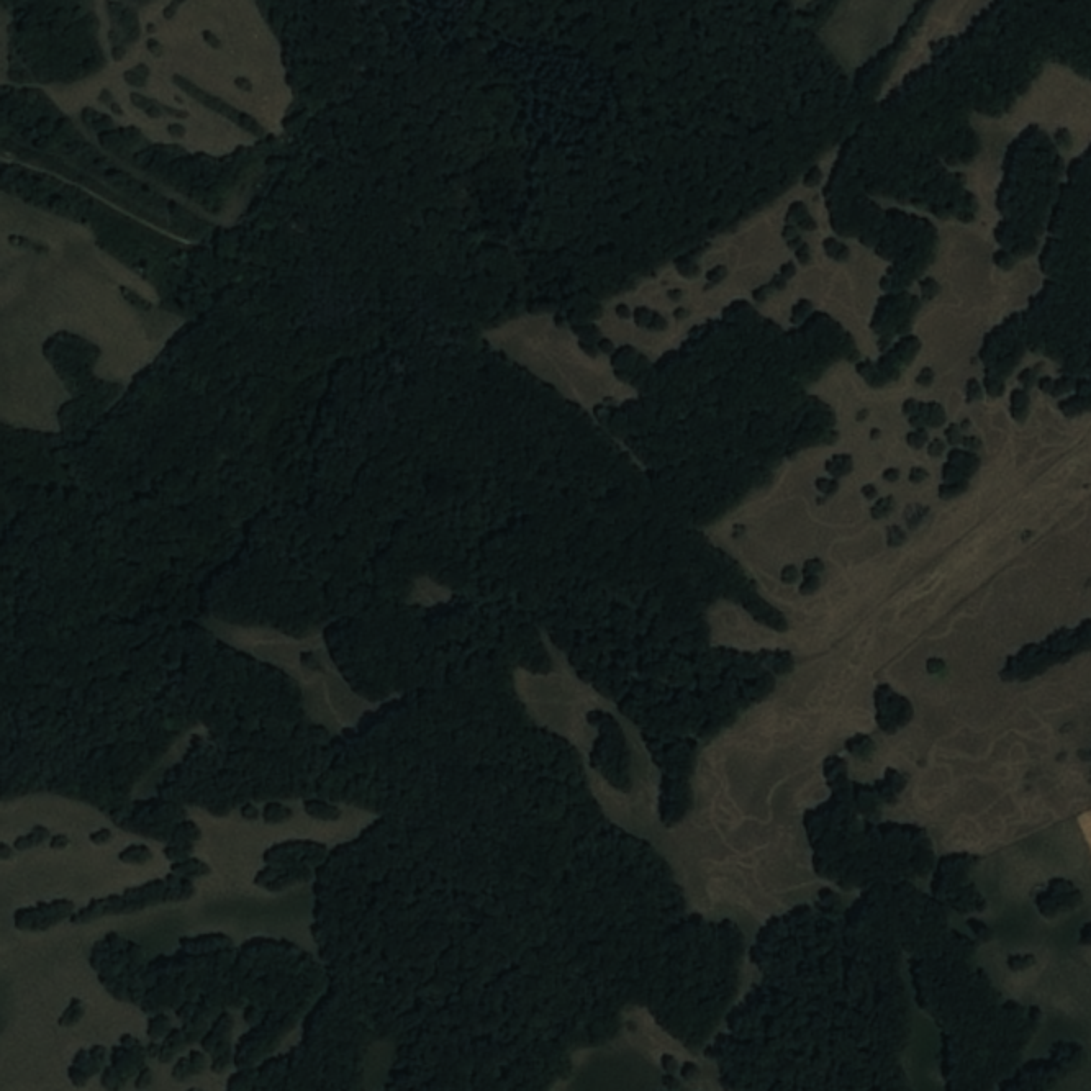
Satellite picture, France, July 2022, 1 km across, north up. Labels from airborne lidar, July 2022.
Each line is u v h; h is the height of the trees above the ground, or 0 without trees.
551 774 17
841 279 0
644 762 0
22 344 0
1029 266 0
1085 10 20
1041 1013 18
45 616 17
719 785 0
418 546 28
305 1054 14
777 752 0
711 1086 0
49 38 6
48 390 0
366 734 22
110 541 20
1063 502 0
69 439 9
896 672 0
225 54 0
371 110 21
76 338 9
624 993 20
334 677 0
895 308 23
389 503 21
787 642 0
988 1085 25
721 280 10
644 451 20
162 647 28
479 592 13
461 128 20
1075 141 18
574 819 26
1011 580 0
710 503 26
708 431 21
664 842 0
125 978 14
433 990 22
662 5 23
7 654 23
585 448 24
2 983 0
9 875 0
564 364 0
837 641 0
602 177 20
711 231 13
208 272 18
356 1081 23
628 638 23
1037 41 19
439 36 21
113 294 0
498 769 23
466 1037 23
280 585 23
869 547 0
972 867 12
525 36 19
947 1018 23
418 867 21
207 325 20
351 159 20
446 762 20
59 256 0
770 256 0
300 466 14
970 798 0
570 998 18
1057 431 0
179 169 19
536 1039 17
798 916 15
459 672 22
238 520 18
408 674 25
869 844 22
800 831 0
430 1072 18
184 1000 12
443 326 19
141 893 13
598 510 21
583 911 29
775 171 19
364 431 19
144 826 16
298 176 19
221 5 0
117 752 22
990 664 0
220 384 19
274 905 0
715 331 20
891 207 0
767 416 15
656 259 20
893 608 0
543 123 24
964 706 0
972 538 0
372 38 19
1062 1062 17
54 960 0
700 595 15
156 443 19
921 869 27
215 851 0
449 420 24
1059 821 0
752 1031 23
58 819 0
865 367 14
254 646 0
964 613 0
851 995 28
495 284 21
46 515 13
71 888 0
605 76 16
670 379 21
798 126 22
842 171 17
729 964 20
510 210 7
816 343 18
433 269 20
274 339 22
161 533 25
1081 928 0
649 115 23
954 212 16
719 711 27
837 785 14
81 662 21
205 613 17
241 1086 15
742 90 21
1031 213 21
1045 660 18
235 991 15
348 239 18
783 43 22
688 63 23
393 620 24
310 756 21
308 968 19
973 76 24
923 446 10
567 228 21
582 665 18
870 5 0
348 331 18
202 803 10
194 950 15
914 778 0
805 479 0
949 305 0
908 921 22
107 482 19
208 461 24
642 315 15
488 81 13
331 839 0
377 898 20
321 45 21
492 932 22
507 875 23
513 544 28
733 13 16
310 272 19
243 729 21
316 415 9
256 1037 15
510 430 22
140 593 9
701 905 0
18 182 15
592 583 20
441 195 19
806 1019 23
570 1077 7
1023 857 0
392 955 20
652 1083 0
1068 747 0
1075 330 19
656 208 23
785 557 0
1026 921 0
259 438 20
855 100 19
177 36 0
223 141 0
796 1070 18
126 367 0
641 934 23
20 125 10
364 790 20
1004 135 0
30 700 18
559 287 7
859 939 25
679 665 26
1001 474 0
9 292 0
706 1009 24
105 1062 13
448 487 24
